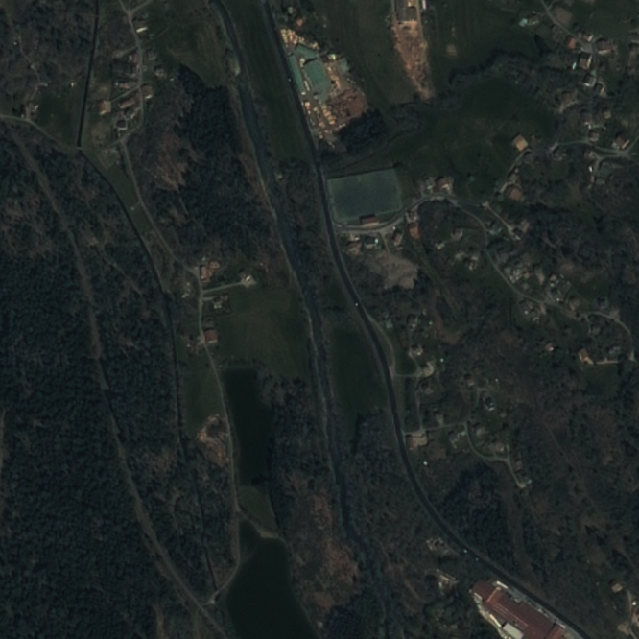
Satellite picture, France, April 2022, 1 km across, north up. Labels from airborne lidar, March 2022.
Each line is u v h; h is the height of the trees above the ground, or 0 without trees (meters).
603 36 0
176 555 23
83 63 15
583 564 20
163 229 6
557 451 0
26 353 26
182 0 0
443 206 10
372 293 7
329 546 0
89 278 16
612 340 8
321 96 0
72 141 0
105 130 0
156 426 20
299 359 0
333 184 0
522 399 0
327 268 16
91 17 0
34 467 22
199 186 14
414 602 14
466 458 9
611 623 9
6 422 7
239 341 0
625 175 0
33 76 16
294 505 30
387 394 0
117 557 19
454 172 0
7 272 19
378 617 15
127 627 24
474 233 0
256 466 0
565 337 7
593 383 0
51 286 24
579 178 14
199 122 13
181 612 20
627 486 6
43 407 26
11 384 12
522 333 14
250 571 0
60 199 22
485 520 28
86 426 24
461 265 0
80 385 24
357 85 0
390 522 11
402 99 0
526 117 0
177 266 11
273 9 7
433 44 0
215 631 9
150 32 0
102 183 18
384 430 17
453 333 0
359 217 0
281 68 0
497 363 7
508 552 8
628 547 10
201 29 0
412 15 0
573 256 20
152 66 0
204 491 9
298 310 0
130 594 20
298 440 18
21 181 6
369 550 18
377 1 0
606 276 0
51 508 29
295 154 0
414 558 11
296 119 0
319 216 7
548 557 21
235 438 7
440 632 9
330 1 0
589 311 0
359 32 0
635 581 22
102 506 17
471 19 0
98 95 0
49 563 22
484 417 0
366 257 0
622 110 6
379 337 0
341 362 0
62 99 0
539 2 0
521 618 0
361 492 15
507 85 0
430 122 0
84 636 18
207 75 0
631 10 0
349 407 0
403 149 0
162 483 25
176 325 16
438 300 11
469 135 0
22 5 0
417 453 0
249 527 0
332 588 0
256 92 0
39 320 24
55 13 16
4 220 7
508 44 0
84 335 21
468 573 25
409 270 0
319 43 6
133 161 6
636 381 9
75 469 26
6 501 13
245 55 0
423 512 20
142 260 17
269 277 0
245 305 0
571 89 14
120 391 26
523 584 0
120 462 13
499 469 0
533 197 10
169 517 6
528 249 0
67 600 22
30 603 18
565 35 0
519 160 0
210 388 0
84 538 20
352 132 14
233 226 17
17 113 15
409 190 0
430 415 13
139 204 0
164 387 22
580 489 13
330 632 20
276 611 0
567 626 0
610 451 0
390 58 0
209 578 14
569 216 19
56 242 8
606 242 5
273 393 13
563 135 15
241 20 0
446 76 0
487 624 7
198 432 0
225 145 21
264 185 0
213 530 24
